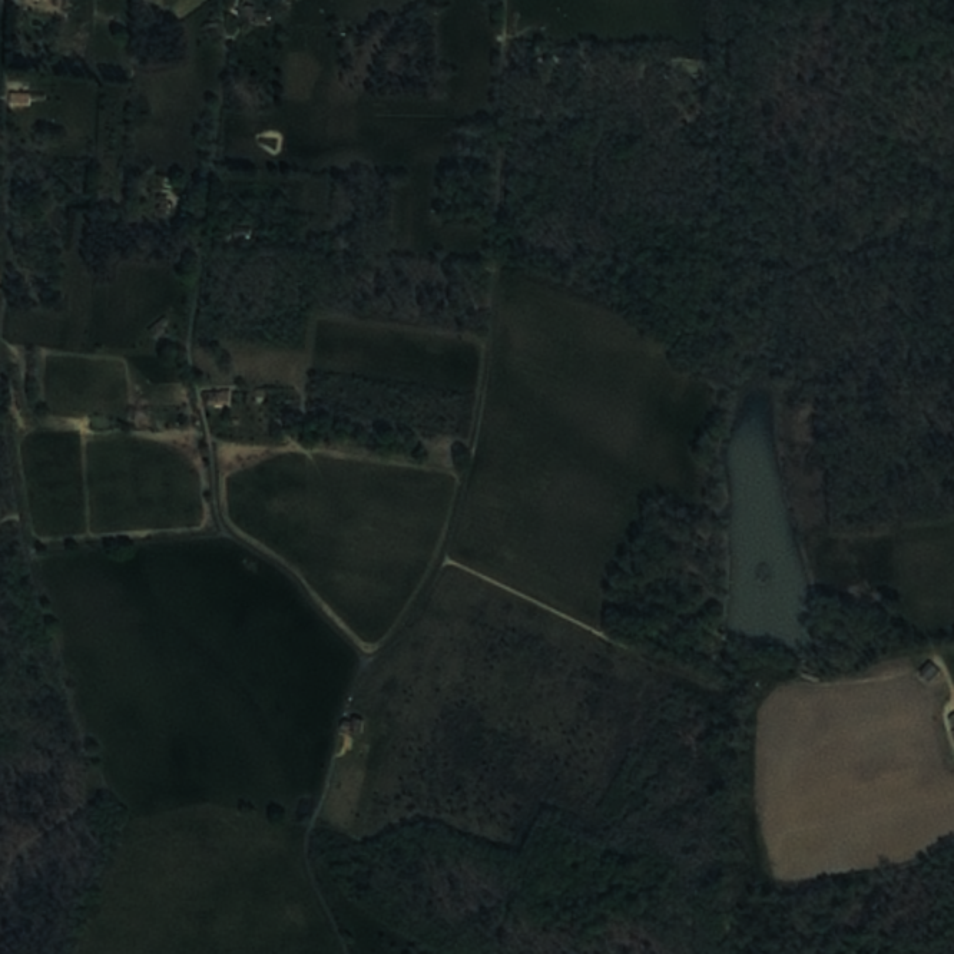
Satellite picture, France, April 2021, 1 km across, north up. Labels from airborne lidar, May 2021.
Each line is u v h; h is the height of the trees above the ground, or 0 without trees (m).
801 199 22
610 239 12
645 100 14
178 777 0
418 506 0
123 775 0
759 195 23
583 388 0
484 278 16
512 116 20
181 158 0
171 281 0
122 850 12
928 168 8
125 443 0
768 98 12
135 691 0
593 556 0
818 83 9
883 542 0
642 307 22
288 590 0
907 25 17
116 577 0
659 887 12
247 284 12
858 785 0
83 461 0
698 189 19
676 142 21
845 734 0
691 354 17
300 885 0
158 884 0
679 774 9
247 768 0
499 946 14
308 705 0
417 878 19
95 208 14
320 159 0
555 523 0
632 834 9
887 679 0
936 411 13
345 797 0
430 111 0
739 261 11
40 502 0
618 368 0
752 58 18
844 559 0
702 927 19
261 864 0
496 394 0
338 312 16
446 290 12
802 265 20
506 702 0
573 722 0
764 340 14
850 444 20
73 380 0
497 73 11
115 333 0
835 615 19
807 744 0
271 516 0
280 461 0
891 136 16
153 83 0
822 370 14
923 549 0
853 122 16
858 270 20
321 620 0
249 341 11
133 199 19
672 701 6
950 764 0
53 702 21
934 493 17
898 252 13
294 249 14
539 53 11
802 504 0
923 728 0
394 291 13
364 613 0
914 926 6
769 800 0
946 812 0
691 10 0
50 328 0
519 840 6
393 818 0
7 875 14
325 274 14
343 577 0
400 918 15
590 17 0
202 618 0
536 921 15
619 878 20
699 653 14
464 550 0
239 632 0
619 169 20
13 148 8
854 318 20
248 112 19
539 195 13
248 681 0
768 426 0
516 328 0
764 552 0
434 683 0
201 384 15
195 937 0
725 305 24
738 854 23
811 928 20
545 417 0
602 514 0
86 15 0
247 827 0
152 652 0
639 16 0
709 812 13
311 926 0
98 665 0
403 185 12
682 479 0
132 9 12
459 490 0
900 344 19
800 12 16
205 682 0
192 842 0
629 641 19
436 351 0
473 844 15
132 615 0
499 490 0
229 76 16
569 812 6
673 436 0
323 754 0
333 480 0
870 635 17
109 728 0
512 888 14
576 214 13
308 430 18
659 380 0
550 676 0
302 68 0
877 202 23
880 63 16
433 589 0
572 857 21
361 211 17
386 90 17
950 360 17
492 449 0
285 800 0
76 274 0
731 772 27
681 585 12
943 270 25
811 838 0
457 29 0
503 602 0
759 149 22
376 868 13
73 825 16
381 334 0
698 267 23
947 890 16
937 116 12
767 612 0
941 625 0
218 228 6
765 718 0
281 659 0
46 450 0
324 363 0
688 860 18
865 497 23
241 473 0
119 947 0
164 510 0
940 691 0
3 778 7
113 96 0
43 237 17
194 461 0
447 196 19
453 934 17
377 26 16
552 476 0
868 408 18
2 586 20
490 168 13
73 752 6
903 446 19
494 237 10
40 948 19
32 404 12
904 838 0
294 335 14
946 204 14
